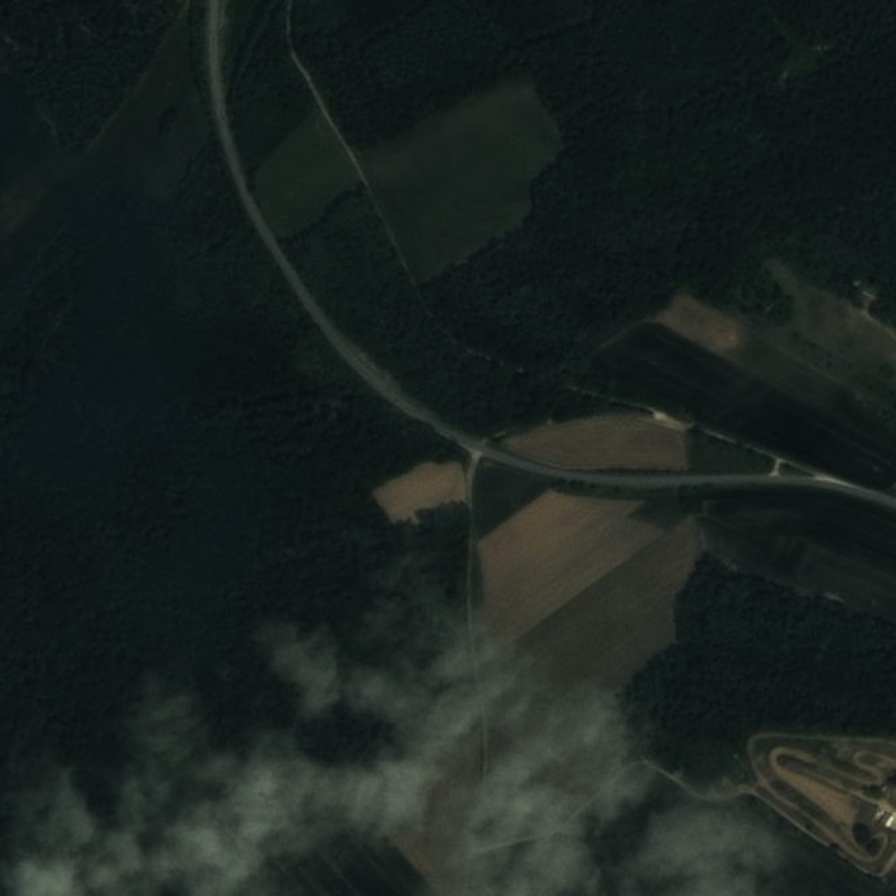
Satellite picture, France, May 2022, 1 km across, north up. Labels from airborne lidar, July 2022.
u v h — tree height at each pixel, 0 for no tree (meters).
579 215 16
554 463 0
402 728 22
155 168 0
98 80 19
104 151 0
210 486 18
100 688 28
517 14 7
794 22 7
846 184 15
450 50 19
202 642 18
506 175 0
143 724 24
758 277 13
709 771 14
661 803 0
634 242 17
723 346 0
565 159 17
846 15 14
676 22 8
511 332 18
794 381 0
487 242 0
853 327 0
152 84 0
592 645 0
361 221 20
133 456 18
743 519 0
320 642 21
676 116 14
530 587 0
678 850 0
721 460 0
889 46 21
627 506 0
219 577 15
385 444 20
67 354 25
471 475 0
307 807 22
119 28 25
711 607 28
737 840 0
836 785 0
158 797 26
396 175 0
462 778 0
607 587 0
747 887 0
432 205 0
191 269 15
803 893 0
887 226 12
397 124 20
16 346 29
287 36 13
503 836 0
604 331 22
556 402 12
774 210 13
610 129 16
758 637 23
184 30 0
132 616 17
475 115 0
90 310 15
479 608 0
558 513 0
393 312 21
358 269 18
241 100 17
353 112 17
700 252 15
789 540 0
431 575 26
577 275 16
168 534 15
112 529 16
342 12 17
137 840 27
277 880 0
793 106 18
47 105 15
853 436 0
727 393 0
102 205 17
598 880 0
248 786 20
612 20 9
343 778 23
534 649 0
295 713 21
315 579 23
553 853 0
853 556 0
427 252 0
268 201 0
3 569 20
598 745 11
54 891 25
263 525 24
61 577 22
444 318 15
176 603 13
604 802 0
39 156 0
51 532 22
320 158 0
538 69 19
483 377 6
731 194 11
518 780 0
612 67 12
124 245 15
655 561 0
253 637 20
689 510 12
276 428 27
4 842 24
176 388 16
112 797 27
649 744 18
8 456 27
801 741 0
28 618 16
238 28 0
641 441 0
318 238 20
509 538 0
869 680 27
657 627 0
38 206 0
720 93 11
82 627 14
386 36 21
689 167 14
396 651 28
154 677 21
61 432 25
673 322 0
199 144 0
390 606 28
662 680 11
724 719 18
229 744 21
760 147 10
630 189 15
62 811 26
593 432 0
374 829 0
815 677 23
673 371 0
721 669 27
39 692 25
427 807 0
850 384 0
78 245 23
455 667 17
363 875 0
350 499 22
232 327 14
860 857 0
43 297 24
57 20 23
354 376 18
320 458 25
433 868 0
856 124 14
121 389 14
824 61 9
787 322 18
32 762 25
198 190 15
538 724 0
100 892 29
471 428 9
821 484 0
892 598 0
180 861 25
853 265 13
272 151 12
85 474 20
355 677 25
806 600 9
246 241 16
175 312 14
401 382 12
